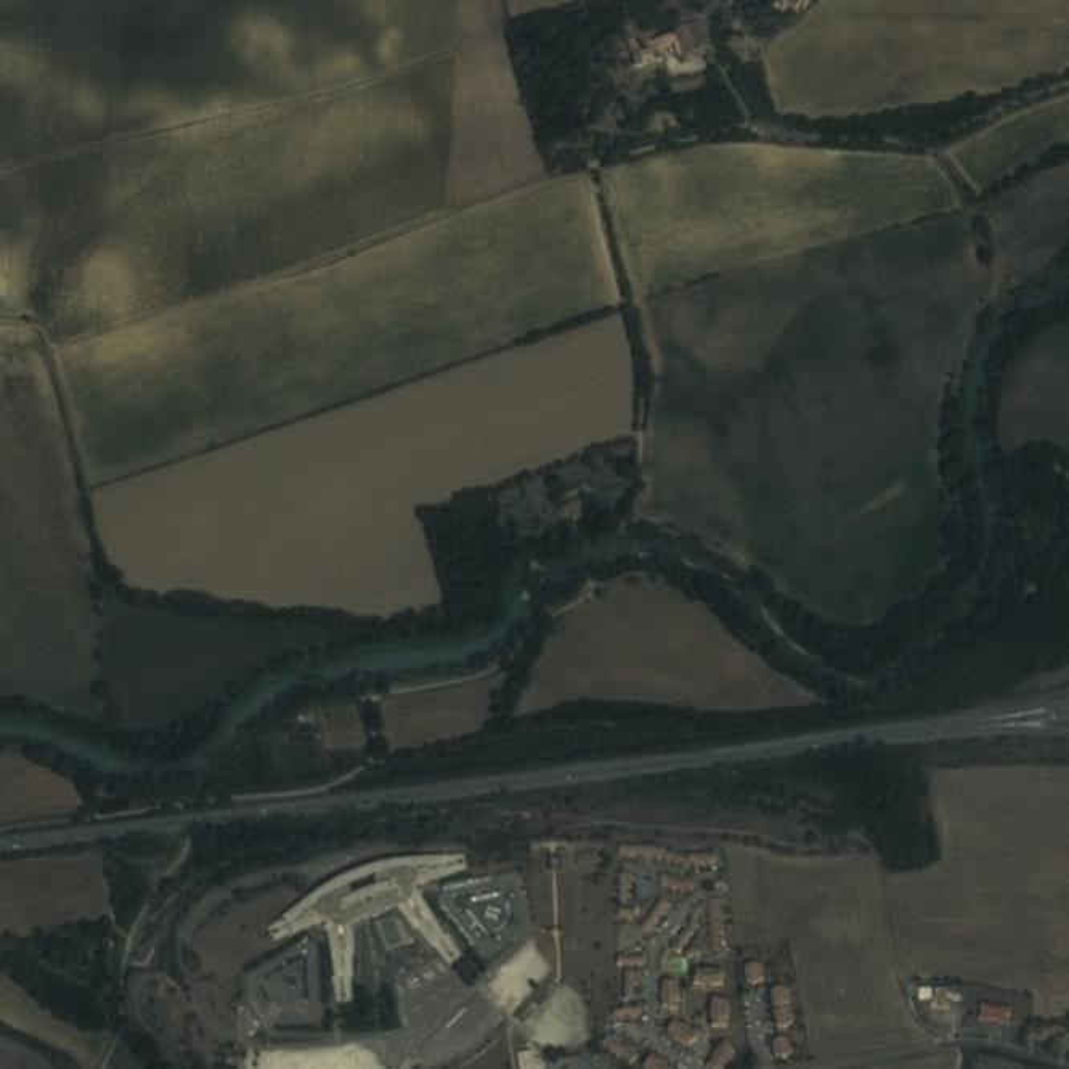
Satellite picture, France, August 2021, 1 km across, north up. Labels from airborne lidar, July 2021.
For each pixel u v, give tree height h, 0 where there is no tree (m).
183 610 14
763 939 0
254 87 0
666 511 0
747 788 7
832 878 0
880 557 0
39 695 0
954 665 8
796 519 0
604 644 0
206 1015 0
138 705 0
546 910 0
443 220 0
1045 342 0
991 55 0
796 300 0
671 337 0
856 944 0
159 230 0
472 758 7
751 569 6
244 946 0
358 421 0
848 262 0
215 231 0
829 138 7
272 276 0
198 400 0
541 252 0
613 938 0
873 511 0
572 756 9
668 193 0
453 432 0
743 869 0
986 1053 7
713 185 0
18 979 12
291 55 0
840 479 0
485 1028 0
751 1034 0
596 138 10
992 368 16
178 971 7
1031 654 6
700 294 0
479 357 0
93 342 0
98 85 0
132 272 0
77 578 0
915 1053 0
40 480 0
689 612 0
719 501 0
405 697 0
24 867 0
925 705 15
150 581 0
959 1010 0
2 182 0
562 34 11
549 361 0
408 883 0
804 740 0
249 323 0
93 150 0
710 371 0
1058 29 0
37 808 0
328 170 0
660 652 0
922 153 11
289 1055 0
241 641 0
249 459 0
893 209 0
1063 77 8
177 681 0
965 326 0
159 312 0
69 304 0
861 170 0
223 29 0
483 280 0
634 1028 0
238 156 0
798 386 0
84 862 0
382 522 0
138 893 9
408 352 0
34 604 0
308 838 8
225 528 0
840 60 0
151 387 0
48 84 0
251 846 9
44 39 0
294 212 0
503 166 0
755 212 0
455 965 7
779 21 13
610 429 0
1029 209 0
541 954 0
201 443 0
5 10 0
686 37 0
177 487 0
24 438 0
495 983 0
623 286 9
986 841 0
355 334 0
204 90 0
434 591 0
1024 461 17
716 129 9
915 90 0
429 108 0
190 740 15
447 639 14
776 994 0
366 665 0
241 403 0
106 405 0
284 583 0
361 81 0
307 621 9
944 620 22
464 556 12
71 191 0
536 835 0
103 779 15
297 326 0
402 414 0
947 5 0
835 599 0
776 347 0
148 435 0
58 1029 0
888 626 15
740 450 0
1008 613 14
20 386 0
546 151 10
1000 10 0
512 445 0
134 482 0
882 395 0
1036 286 6
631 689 0
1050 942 0
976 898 0
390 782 12
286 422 0
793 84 0
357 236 0
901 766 5
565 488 11
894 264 0
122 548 0
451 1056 0
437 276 0
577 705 6
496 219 0
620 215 0
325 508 0
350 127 0
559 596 12
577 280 0
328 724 0
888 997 0
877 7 0
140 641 0
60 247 0
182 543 0
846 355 0
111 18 0
